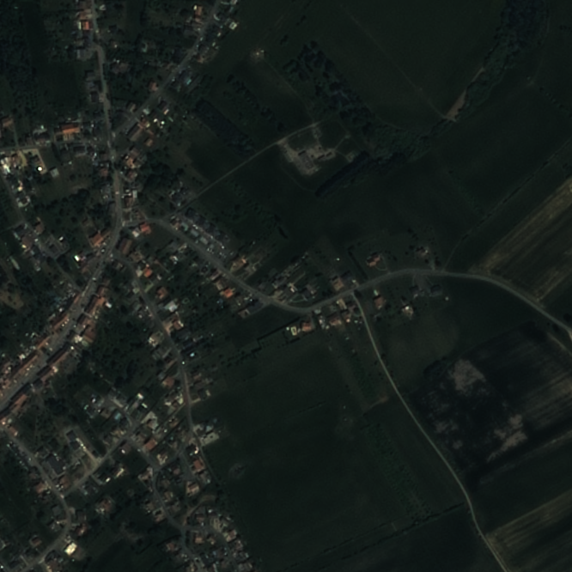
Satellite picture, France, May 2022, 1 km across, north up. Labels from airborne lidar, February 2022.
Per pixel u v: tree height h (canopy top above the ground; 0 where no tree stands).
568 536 0
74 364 0
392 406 0
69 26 0
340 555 0
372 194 0
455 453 0
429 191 0
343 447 0
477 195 0
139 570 0
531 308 0
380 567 0
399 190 0
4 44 16
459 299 0
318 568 0
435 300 0
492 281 0
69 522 0
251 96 15
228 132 15
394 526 0
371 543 0
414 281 0
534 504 0
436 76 0
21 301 0
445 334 0
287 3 0
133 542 0
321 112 6
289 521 0
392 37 0
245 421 0
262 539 0
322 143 0
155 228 0
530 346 0
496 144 0
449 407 0
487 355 0
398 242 0
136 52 15
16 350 0
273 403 0
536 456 0
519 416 0
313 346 0
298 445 0
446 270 0
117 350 9
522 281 0
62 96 0
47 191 0
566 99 0
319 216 0
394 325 0
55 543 0
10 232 0
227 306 9
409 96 0
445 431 0
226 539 0
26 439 0
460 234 0
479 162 0
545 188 0
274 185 0
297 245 0
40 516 15
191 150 0
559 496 0
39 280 0
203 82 5
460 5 0
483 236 0
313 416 0
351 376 0
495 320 0
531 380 0
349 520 0
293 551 0
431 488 0
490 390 0
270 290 0
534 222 0
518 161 0
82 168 0
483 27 0
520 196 0
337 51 0
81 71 0
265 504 0
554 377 0
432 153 0
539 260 0
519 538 0
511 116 0
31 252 0
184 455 0
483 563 0
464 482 0
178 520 0
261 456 0
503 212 0
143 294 0
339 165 0
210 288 0
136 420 0
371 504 0
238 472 15
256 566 8
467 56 0
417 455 0
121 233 7
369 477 0
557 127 0
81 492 0
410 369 0
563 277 0
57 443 9
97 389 0
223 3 0
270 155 0
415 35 0
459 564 0
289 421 0
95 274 0
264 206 0
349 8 0
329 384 0
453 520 0
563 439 0
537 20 29
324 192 15
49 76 0
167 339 0
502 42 8
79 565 0
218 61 0
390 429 0
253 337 0
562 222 0
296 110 0
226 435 0
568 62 0
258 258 0
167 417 0
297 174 0
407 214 0
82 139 0
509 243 0
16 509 0
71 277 0
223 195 0
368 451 0
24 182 8
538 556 0
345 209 0
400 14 0
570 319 18
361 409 0
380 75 0
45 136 0
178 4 0
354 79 0
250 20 0
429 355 0
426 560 0
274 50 0
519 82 0
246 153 16
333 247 0
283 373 0
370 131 21
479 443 0
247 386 0
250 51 0
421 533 0
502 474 0
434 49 0
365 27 0
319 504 0
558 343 0
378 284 0
